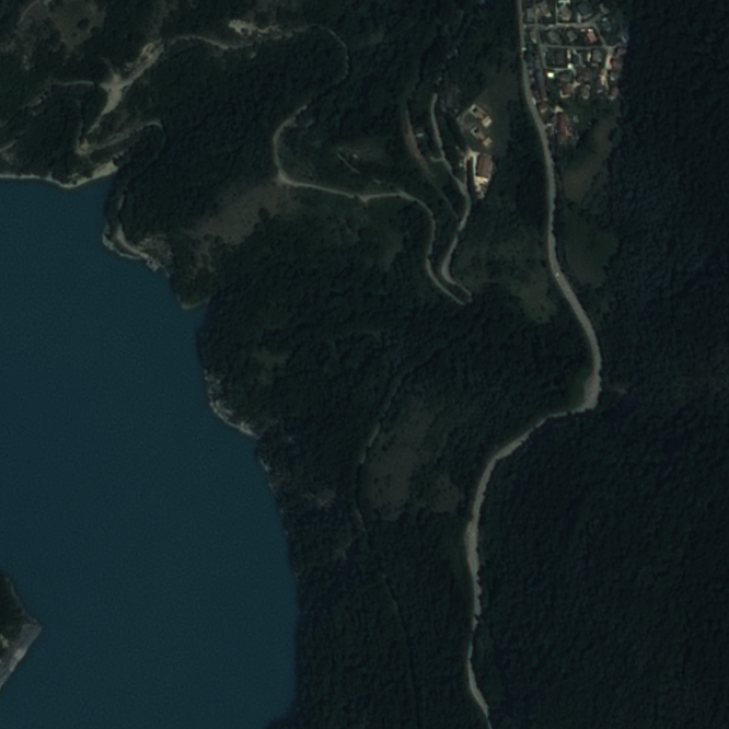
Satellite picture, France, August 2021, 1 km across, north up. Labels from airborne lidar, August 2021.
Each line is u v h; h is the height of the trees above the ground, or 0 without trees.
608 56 0
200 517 0
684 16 25
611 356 7
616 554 21
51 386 0
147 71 7
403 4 17
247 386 10
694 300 17
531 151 10
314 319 6
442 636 20
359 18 7
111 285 0
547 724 14
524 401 18
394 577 13
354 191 8
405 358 13
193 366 0
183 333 0
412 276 12
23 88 10
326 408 21
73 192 0
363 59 16
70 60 8
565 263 7
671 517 27
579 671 15
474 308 19
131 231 8
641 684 15
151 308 0
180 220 10
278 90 22
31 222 0
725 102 22
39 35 6
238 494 0
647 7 25
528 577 14
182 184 12
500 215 7
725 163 27
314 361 7
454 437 11
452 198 19
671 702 20
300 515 12
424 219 14
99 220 0
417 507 7
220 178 9
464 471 17
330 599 11
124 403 0
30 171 19
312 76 20
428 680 16
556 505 26
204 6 15
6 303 0
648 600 18
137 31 10
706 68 29
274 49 14
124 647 0
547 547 25
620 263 15
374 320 13
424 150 8
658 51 26
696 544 22
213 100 23
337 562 7
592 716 14
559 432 18
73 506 0
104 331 0
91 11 0
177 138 19
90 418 0
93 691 0
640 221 12
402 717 16
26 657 0
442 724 14
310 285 20
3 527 0
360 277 18
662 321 18
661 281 12
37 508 0
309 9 16
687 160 23
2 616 12
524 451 11
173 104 9
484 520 10
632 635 17
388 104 8
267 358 0
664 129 27
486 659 7
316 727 20
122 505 0
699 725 19
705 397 15
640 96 23
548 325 10
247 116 18
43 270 0
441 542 14
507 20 14
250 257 15
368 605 21
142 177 14
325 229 6
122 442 0
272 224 12
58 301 0
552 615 20
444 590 14
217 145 16
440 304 10
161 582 0
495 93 0
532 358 13
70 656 0
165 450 0
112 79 0
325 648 14
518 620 18
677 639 20
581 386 0
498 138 0
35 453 0
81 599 0
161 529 0
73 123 16
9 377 0
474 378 10
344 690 14
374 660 18
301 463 13
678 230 17
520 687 19
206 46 8
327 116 17
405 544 19
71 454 0
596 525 19
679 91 25
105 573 0
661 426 28
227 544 0
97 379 0
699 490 26
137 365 0
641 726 14
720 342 12
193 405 0
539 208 13
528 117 10
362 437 8
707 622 23
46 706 0
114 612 0
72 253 0
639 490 22
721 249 13
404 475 0
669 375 10
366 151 0
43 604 0
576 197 0
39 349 0
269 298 15
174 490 0
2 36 7
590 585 21
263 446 6
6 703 0
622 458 16
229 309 22
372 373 14
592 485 17
